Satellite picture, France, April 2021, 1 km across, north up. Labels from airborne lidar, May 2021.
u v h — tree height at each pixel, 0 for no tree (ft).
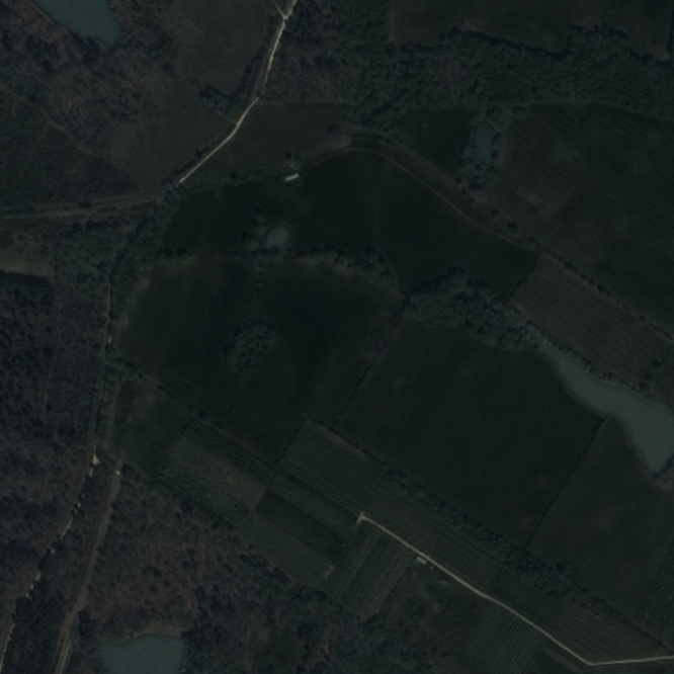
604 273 0
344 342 0
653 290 0
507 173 0
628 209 0
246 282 0
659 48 0
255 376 0
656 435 0
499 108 64
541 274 0
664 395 0
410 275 0
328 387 0
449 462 0
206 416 46
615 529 0
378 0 66
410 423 0
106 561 52
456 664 0
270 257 50
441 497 0
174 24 0
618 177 0
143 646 0
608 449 0
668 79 58
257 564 45
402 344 0
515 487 0
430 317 78
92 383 32
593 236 0
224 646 52
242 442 0
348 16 59
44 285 60
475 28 0
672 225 0
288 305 0
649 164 0
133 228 21
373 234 0
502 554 20
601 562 0
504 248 0
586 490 0
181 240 0
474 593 0
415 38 0
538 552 0
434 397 0
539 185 0
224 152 0
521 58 63
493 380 0
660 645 23
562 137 0
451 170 0
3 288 51
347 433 0
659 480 35
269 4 36
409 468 0
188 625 54
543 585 28
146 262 55
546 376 0
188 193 34
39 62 69
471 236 0
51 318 54
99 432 35
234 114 38
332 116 0
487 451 0
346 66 59
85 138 58
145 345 0
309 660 44
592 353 0
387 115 83
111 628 56
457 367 0
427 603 0
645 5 0
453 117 0
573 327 0
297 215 0
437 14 0
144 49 56
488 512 0
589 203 0
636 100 57
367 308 0
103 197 23
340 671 67
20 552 62
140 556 44
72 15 0
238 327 0
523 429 0
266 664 0
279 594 55
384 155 0
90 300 36
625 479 0
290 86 49
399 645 20
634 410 0
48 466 27
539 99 45
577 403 0
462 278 79
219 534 43
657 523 0
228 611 45
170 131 0
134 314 0
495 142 33
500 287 0
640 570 0
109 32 0
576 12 0
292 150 0
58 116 41
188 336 0
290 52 35
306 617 62
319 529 0
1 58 52
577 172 0
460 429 0
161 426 0
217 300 0
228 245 0
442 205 0
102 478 31
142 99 44
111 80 56
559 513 0
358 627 54
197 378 0
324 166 0
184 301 0
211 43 0
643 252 0
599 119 0
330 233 0
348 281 0
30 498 37
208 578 37
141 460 0
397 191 0
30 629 62
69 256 63
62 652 0
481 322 66
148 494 40
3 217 30
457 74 37
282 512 0
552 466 0
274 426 0
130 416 0
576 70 50
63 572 52
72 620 0
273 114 0
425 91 66
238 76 0
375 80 59
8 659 24
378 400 0
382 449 0
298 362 0
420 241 0
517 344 59
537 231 0
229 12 0
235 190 0
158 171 0
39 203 30
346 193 0
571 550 0
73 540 40
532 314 0
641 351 0
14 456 61
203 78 0
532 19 0
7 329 69
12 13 43
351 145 0
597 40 55
